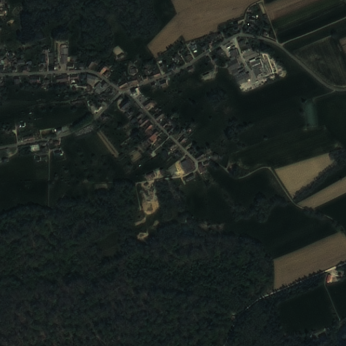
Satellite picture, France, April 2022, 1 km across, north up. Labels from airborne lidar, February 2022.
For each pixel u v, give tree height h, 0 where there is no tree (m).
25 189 0
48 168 0
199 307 29
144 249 29
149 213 0
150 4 23
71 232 31
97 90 0
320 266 0
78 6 30
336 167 15
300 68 0
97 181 0
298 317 0
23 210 26
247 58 0
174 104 0
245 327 24
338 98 0
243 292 24
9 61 0
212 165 13
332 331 17
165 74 0
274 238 0
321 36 0
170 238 34
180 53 7
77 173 0
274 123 0
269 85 0
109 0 30
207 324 31
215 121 0
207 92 0
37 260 25
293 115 0
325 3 0
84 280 31
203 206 0
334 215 0
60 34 26
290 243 0
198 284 27
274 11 0
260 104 0
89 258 32
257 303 20
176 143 0
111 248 0
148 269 19
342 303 0
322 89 0
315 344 26
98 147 0
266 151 0
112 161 0
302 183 0
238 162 0
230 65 0
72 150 0
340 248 0
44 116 0
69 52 0
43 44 5
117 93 0
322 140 0
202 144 0
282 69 0
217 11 0
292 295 17
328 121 0
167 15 0
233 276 23
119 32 0
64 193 0
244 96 0
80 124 20
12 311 31
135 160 0
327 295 0
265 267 25
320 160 0
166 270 21
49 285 31
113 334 31
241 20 0
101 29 31
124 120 0
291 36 0
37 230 31
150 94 0
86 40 26
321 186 0
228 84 0
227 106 0
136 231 0
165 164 0
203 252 36
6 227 14
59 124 0
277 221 0
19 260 10
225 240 25
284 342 24
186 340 32
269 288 0
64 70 0
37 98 0
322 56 0
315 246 0
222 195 0
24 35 25
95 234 31
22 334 32
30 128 0
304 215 0
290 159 0
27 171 0
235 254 28
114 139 0
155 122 0
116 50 0
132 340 27
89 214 18
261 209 25
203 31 0
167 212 17
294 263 0
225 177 0
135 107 0
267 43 0
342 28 0
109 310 34
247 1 0
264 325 24
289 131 0
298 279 0
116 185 21
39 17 25
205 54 0
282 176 0
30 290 28
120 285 29
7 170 0
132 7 30
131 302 30
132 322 30
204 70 0
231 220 0
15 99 0
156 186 19
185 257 34
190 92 0
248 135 0
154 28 27
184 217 25
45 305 36
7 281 29
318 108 0
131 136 9
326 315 0
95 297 31
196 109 0
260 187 0
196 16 0
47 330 34
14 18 0
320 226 0
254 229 0
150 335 29
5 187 0
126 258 30
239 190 0
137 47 0
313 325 0
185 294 28
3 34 0
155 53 0
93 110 0
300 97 0
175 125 10
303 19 0
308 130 0
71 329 30
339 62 0
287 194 0
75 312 31
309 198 0
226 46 0
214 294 14
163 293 31
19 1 0
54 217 31
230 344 22
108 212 24
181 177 0
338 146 0
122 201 25
